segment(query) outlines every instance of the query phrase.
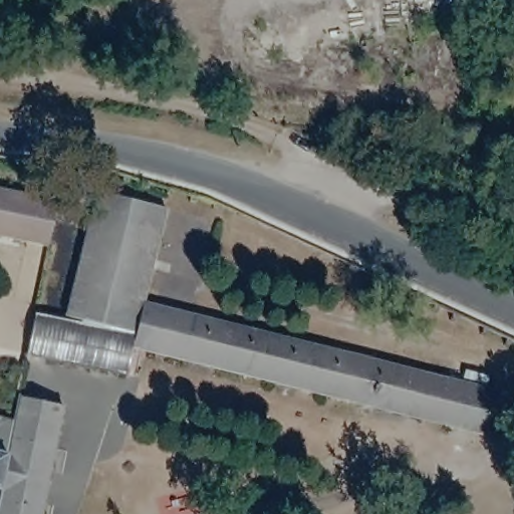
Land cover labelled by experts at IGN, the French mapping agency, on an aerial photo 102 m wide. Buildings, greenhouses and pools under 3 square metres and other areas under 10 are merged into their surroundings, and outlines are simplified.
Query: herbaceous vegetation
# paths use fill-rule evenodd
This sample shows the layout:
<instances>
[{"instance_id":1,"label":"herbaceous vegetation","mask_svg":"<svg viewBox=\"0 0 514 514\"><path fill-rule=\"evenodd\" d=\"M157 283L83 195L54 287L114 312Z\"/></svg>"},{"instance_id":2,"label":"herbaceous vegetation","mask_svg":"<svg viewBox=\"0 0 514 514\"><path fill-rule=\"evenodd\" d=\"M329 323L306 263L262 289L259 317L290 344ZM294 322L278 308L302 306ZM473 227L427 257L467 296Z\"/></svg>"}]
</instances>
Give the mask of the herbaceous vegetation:
<instances>
[{"instance_id":1,"label":"herbaceous vegetation","mask_svg":"<svg viewBox=\"0 0 514 514\"><path fill-rule=\"evenodd\" d=\"M124 131L124 139L165 145L185 153L197 153L203 157L231 163L235 159L253 159L259 165L279 163L281 149L271 143L263 143L257 149L247 143L235 143L229 137L213 135L205 131L205 120L195 118L183 110L161 110L161 116L157 120L126 114L110 114L104 110L94 110L90 114L82 98L70 98L50 82L34 84L28 92L24 92L22 98L18 94L0 94L0 187L24 191L24 179L10 169L8 163L12 159L28 159L34 147L44 141L46 135L68 129L94 129L96 137L100 139L106 131L120 129Z\"/></svg>"},{"instance_id":2,"label":"herbaceous vegetation","mask_svg":"<svg viewBox=\"0 0 514 514\"><path fill-rule=\"evenodd\" d=\"M434 102L436 108L442 108L444 114L450 116L454 129L480 129L476 141L470 145L470 159L464 159L464 163L460 165L464 169L486 175L486 161L490 159L492 147L502 139L502 135L514 137L514 106L510 106L508 112L502 116L494 116L486 110L480 116L466 116L460 112L462 106L468 106L472 102L472 94L468 90L458 90L460 78L456 74L446 40L442 40L438 30L428 30L422 26L424 16L434 16L432 8L422 10L418 6L412 8L408 16L400 16L402 24L383 24L381 40L377 40L375 36L359 34L357 42L353 36L349 40L339 40L337 44L323 48L323 40L317 38L315 46L307 50L303 60L293 62L287 58L283 64L275 68L269 66L253 66L253 56L247 52L247 44L249 40L259 38L251 30L243 28L243 48L235 54L229 44L223 42L219 18L225 0L129 0L118 4L114 10L110 10L104 4L96 4L92 16L88 16L84 10L72 14L76 18L76 24L80 26L80 34L88 42L98 40L100 44L129 46L139 36L147 36L161 28L169 30L179 24L187 32L193 48L199 50L199 60L203 64L197 82L207 92L219 90L225 80L237 80L237 74L231 70L233 66L241 66L241 70L247 76L255 78L255 86L251 88L249 114L253 114L253 118L265 126L285 126L295 135L305 133L307 143L303 147L313 151L317 147L331 143L329 124L339 114L351 112L353 108L359 108L369 114L377 110L406 112L420 110L430 102ZM369 58L373 58L373 64L371 68L357 74L353 72L353 60L359 60L363 52Z\"/></svg>"},{"instance_id":3,"label":"herbaceous vegetation","mask_svg":"<svg viewBox=\"0 0 514 514\"><path fill-rule=\"evenodd\" d=\"M355 514L353 498L347 502L339 502L325 514Z\"/></svg>"},{"instance_id":4,"label":"herbaceous vegetation","mask_svg":"<svg viewBox=\"0 0 514 514\"><path fill-rule=\"evenodd\" d=\"M470 514L514 514L514 498L508 482L500 476L500 464L510 458L510 440L504 438L500 430L496 430L494 424L502 416L502 412L508 410L514 402L514 345L510 349L500 351L502 337L498 333L480 333L478 325L466 317L450 319L444 309L430 309L426 309L422 315L434 319L434 329L430 331L430 335L418 333L398 337L392 321L381 321L375 325L363 323L355 315L355 309L349 301L359 293L363 295L363 291L371 291L377 277L373 275L373 271L361 271L361 267L351 259L343 259L329 249L323 249L307 239L301 239L285 229L279 229L269 221L263 221L255 215L237 209L235 205L219 201L213 195L171 185L169 195L165 199L126 187L122 189L122 193L124 197L163 205L171 213L179 213L185 219L193 221L197 229L213 233L213 237L221 241L221 251L225 261L237 261L237 279L231 283L231 287L215 293L211 293L211 289L203 281L197 287L195 303L217 309L217 303L223 303L225 297L231 297L237 291L243 293L243 309L253 305L255 291L251 287L251 279L255 273L265 273L269 277L279 279L293 277L295 281L309 283L321 291L327 289L327 283L333 285L339 281L343 285L345 299L337 301L335 307L329 311L317 305L307 305L301 309L293 301L289 305L283 305L273 303L273 299L267 295L263 297L263 315L271 315L271 311L275 309L285 311L285 319L291 319L293 315L305 311L309 315L309 333L301 333L299 337L305 341L315 341L329 347L339 347L450 377L462 377L466 375L466 371L486 373L496 388L494 412L486 416L482 430L484 446L492 456L492 466L482 476L472 478L464 484L468 500L472 502Z\"/></svg>"},{"instance_id":5,"label":"herbaceous vegetation","mask_svg":"<svg viewBox=\"0 0 514 514\"><path fill-rule=\"evenodd\" d=\"M273 327L263 321L251 321L221 311L217 317L227 319L231 323L255 325L259 329L277 331L281 335L287 335L289 331L285 327Z\"/></svg>"},{"instance_id":6,"label":"herbaceous vegetation","mask_svg":"<svg viewBox=\"0 0 514 514\"><path fill-rule=\"evenodd\" d=\"M303 494L301 484L279 484L275 480L265 490L265 494L253 504L251 514L281 514L283 504L301 508L309 500L307 496Z\"/></svg>"},{"instance_id":7,"label":"herbaceous vegetation","mask_svg":"<svg viewBox=\"0 0 514 514\"><path fill-rule=\"evenodd\" d=\"M145 359L137 365L104 365L96 361L74 363L66 359L48 357L44 353L32 353L28 349L30 365L42 371L64 371L82 377L96 377L102 381L112 381L116 373L124 373L137 379L139 383L135 396L124 394L118 402L118 416L122 422L131 426L131 430L124 436L124 444L108 460L92 462L76 514L195 514L187 504L187 488L193 486L193 482L199 476L211 472L213 460L189 460L181 454L173 456L171 452L161 450L157 444L139 444L133 438L133 428L139 428L147 422L165 424L167 408L175 400L185 400L195 408L205 404L207 408L211 408L211 412L231 410L235 416L255 414L261 422L271 418L279 422L279 426L285 430L285 434L275 442L277 456L293 456L297 460L303 460L309 454L327 472L335 472L337 464L345 462L345 452L351 446L367 444L365 432L375 432L383 420L400 422L400 414L373 410L371 404L359 402L359 406L351 406L351 400L347 398L341 400L337 396L325 398L319 394L299 394L295 390L281 388L269 381L241 377L231 371L211 369L157 353L145 353Z\"/></svg>"},{"instance_id":8,"label":"herbaceous vegetation","mask_svg":"<svg viewBox=\"0 0 514 514\"><path fill-rule=\"evenodd\" d=\"M367 219L383 231L392 233L394 237L412 245L412 239L408 237L410 221L406 217L408 199L400 191L394 199L390 205L379 205Z\"/></svg>"}]
</instances>

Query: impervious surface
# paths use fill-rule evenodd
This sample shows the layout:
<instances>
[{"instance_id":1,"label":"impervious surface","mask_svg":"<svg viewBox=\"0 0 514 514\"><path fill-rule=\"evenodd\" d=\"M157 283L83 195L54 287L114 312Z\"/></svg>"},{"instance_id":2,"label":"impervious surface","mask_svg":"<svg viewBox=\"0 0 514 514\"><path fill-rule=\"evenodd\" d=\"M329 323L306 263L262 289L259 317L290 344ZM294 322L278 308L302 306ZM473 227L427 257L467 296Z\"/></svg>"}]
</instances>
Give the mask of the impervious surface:
<instances>
[{"instance_id":1,"label":"impervious surface","mask_svg":"<svg viewBox=\"0 0 514 514\"><path fill-rule=\"evenodd\" d=\"M151 295L147 299L153 303L217 317L221 311L217 309L195 303L197 287L203 281L203 259L221 251L221 241L213 237L213 233L197 229L193 221L185 219L179 213L171 213L167 233L161 239L161 261L155 261L153 265L159 273L151 283Z\"/></svg>"},{"instance_id":2,"label":"impervious surface","mask_svg":"<svg viewBox=\"0 0 514 514\"><path fill-rule=\"evenodd\" d=\"M86 231L62 223L56 225L52 235L54 239L56 257L52 267L58 279L52 287L48 287L46 295L46 301L50 305L56 305L54 313L66 315L68 311Z\"/></svg>"},{"instance_id":3,"label":"impervious surface","mask_svg":"<svg viewBox=\"0 0 514 514\"><path fill-rule=\"evenodd\" d=\"M129 183L135 179L135 175L143 175L147 179L157 179L171 185L213 195L219 201L235 205L237 209L255 215L263 221L269 221L279 229L285 229L301 239L307 239L323 249L329 249L343 259L351 259L361 267L361 271L373 271L373 275L377 277L386 277L390 281L394 281L394 277L398 275L412 279L414 291L434 299L430 303L430 309L444 309L450 319L466 317L478 325L480 333L498 333L502 337L500 351L510 349L514 345L514 299L496 299L484 285L474 285L454 277L438 275L426 263L422 249L418 245L412 245L394 237L392 233L383 231L367 219L339 205L325 203L323 199L317 199L311 193L297 191L285 183L273 181L265 175L253 173L245 167L231 163L203 157L197 153L185 153L165 145L124 139L124 131L120 129L106 131L100 139L102 143L112 145L116 153L120 153L120 163L116 163L116 169L122 171L122 177Z\"/></svg>"},{"instance_id":4,"label":"impervious surface","mask_svg":"<svg viewBox=\"0 0 514 514\"><path fill-rule=\"evenodd\" d=\"M482 430L476 432L464 430L460 426L440 426L434 420L426 420L424 424L400 422L383 420L375 432L365 432L367 444L351 446L345 452L345 462L337 464L335 472L337 490L309 492L307 496L309 500L321 514L325 514L339 502L347 502L353 498L367 496L371 500L375 486L371 482L371 476L381 466L388 466L390 472L402 472L422 482L426 492L438 492L448 502L468 500L464 484L472 478L482 476L492 466L492 456L484 446Z\"/></svg>"},{"instance_id":5,"label":"impervious surface","mask_svg":"<svg viewBox=\"0 0 514 514\"><path fill-rule=\"evenodd\" d=\"M62 436L58 440L58 446L52 450L52 486L42 514L76 514L92 462L108 460L124 444L124 436L131 430L131 426L122 422L118 416L118 402L124 394L135 396L139 383L137 379L124 373L116 373L112 381L102 381L96 377L82 377L64 371L42 371L30 365L30 383L16 392L10 410L0 408L0 416L14 418L18 402L24 396L60 402L62 406L66 406Z\"/></svg>"},{"instance_id":6,"label":"impervious surface","mask_svg":"<svg viewBox=\"0 0 514 514\"><path fill-rule=\"evenodd\" d=\"M0 357L20 357L24 317L32 301L42 247L36 241L16 243L12 237L0 237Z\"/></svg>"}]
</instances>

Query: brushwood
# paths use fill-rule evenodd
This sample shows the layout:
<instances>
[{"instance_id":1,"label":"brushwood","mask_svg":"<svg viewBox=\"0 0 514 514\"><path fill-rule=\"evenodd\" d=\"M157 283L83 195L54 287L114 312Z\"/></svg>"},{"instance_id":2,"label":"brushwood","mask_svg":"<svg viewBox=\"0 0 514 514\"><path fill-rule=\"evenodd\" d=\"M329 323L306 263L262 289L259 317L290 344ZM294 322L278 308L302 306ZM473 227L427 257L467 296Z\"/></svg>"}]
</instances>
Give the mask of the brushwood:
<instances>
[{"instance_id":1,"label":"brushwood","mask_svg":"<svg viewBox=\"0 0 514 514\"><path fill-rule=\"evenodd\" d=\"M271 58L269 66L275 68L283 64L287 58L281 46L273 46L267 52Z\"/></svg>"},{"instance_id":2,"label":"brushwood","mask_svg":"<svg viewBox=\"0 0 514 514\"><path fill-rule=\"evenodd\" d=\"M169 195L171 185L157 179L147 179L143 175L135 175L135 179L129 183L126 187L165 199Z\"/></svg>"},{"instance_id":3,"label":"brushwood","mask_svg":"<svg viewBox=\"0 0 514 514\"><path fill-rule=\"evenodd\" d=\"M161 116L161 110L110 98L82 98L90 114L94 110L104 110L110 114L126 114L157 120Z\"/></svg>"},{"instance_id":4,"label":"brushwood","mask_svg":"<svg viewBox=\"0 0 514 514\"><path fill-rule=\"evenodd\" d=\"M255 135L243 131L247 118L245 114L227 114L225 108L205 110L205 120L205 131L213 135L229 137L235 143L247 143L257 149L263 143Z\"/></svg>"},{"instance_id":5,"label":"brushwood","mask_svg":"<svg viewBox=\"0 0 514 514\"><path fill-rule=\"evenodd\" d=\"M24 317L20 357L0 357L0 408L10 410L16 392L30 383L30 365L28 349L36 313L54 313L56 305L50 305L46 301L46 295L48 287L52 287L58 279L52 267L56 257L54 239L46 247L42 247L32 301Z\"/></svg>"}]
</instances>

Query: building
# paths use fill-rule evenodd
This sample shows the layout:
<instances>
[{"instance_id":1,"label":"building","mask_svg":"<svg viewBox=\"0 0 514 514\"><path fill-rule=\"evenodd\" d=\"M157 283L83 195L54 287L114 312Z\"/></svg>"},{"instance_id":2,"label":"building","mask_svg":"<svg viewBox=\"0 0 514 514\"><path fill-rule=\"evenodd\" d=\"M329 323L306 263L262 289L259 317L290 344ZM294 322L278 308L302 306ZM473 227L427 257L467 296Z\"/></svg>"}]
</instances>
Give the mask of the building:
<instances>
[{"instance_id":1,"label":"building","mask_svg":"<svg viewBox=\"0 0 514 514\"><path fill-rule=\"evenodd\" d=\"M351 406L359 406L359 402L371 404L373 410L400 414L400 422L424 424L426 420L434 420L440 426L460 426L464 430L476 432L482 430L486 416L494 412L496 388L486 373L466 371L466 375L462 377L450 377L339 347L329 347L315 341L305 341L299 337L301 333L289 331L287 335L281 335L277 331L259 329L255 325L231 323L227 319L217 317L153 303L147 299L151 295L151 283L159 273L153 265L155 261L161 261L161 239L167 233L171 213L163 205L124 197L122 193L116 201L112 201L110 217L104 223L98 223L96 227L86 231L68 311L66 315L54 313L36 313L28 349L32 353L44 353L48 357L66 359L74 363L96 361L104 365L137 365L145 359L145 353L157 353L211 369L231 371L241 377L269 381L281 388L295 390L299 394L319 394L325 398L337 396L341 400L347 398L351 400Z\"/></svg>"},{"instance_id":2,"label":"building","mask_svg":"<svg viewBox=\"0 0 514 514\"><path fill-rule=\"evenodd\" d=\"M24 191L0 187L0 237L12 237L16 243L36 241L42 247L46 247L54 239L52 235L56 225L62 223L58 217L52 217L44 209L28 203L24 199Z\"/></svg>"},{"instance_id":3,"label":"building","mask_svg":"<svg viewBox=\"0 0 514 514\"><path fill-rule=\"evenodd\" d=\"M0 416L0 514L42 514L52 486L52 450L58 446L58 440L62 436L66 406L62 406L60 402L24 396L18 402L14 418Z\"/></svg>"}]
</instances>

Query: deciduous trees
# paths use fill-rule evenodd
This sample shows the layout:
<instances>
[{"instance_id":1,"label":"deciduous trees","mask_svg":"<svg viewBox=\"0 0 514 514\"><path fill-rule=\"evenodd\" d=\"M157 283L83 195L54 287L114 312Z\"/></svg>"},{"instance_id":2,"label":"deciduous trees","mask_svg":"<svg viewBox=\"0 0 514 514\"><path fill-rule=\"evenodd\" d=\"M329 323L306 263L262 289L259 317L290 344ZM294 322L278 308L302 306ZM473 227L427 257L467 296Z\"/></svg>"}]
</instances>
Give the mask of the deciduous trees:
<instances>
[{"instance_id":1,"label":"deciduous trees","mask_svg":"<svg viewBox=\"0 0 514 514\"><path fill-rule=\"evenodd\" d=\"M508 410L502 412L502 416L494 424L496 430L500 430L504 438L510 440L510 458L500 464L500 476L508 482L514 498L514 402Z\"/></svg>"},{"instance_id":2,"label":"deciduous trees","mask_svg":"<svg viewBox=\"0 0 514 514\"><path fill-rule=\"evenodd\" d=\"M438 492L426 492L422 482L402 472L390 472L388 466L381 466L371 476L371 482L375 486L371 500L367 496L353 498L355 514L470 514L472 502L468 500L448 502Z\"/></svg>"},{"instance_id":3,"label":"deciduous trees","mask_svg":"<svg viewBox=\"0 0 514 514\"><path fill-rule=\"evenodd\" d=\"M394 199L400 191L408 199L406 217L410 221L408 237L412 239L412 245L418 245L422 249L426 263L438 275L454 277L474 285L484 285L496 299L514 299L514 137L502 135L502 139L492 147L490 159L486 161L486 175L464 169L460 165L464 163L464 159L470 159L470 145L476 141L480 129L454 129L450 116L444 114L442 108L436 108L434 102L430 102L420 110L406 112L377 110L369 114L359 108L353 108L351 112L339 114L329 124L331 143L317 147L313 151L319 159L327 161L329 165L341 167L357 185L373 189L377 195Z\"/></svg>"},{"instance_id":4,"label":"deciduous trees","mask_svg":"<svg viewBox=\"0 0 514 514\"><path fill-rule=\"evenodd\" d=\"M281 514L321 514L309 500L301 508L283 504Z\"/></svg>"},{"instance_id":5,"label":"deciduous trees","mask_svg":"<svg viewBox=\"0 0 514 514\"><path fill-rule=\"evenodd\" d=\"M24 199L28 203L44 209L52 217L58 217L62 223L86 231L96 227L98 223L104 223L110 217L112 201L116 201L122 193L122 189L126 187L129 183L122 177L122 171L116 169L116 163L120 163L120 153L116 153L112 145L102 143L100 139L96 137L94 129L68 129L46 135L44 141L34 147L28 159L12 159L8 163L10 169L24 179L24 191Z\"/></svg>"},{"instance_id":6,"label":"deciduous trees","mask_svg":"<svg viewBox=\"0 0 514 514\"><path fill-rule=\"evenodd\" d=\"M251 279L251 287L255 291L253 305L243 309L243 293L237 291L231 297L225 297L223 303L217 303L217 309L221 311L251 321L263 321L273 327L285 327L289 331L301 333L309 333L309 315L305 311L293 315L291 319L285 319L285 311L275 309L271 311L271 315L263 315L263 297L267 295L273 299L273 303L283 305L289 305L293 301L301 309L307 305L317 305L329 311L335 307L337 301L345 299L343 285L339 281L333 285L327 283L327 289L321 291L309 283L295 281L293 277L279 279L269 277L265 273L255 273Z\"/></svg>"},{"instance_id":7,"label":"deciduous trees","mask_svg":"<svg viewBox=\"0 0 514 514\"><path fill-rule=\"evenodd\" d=\"M193 482L193 486L187 488L187 504L195 514L251 514L253 504L265 494L265 490L275 480L279 484L301 484L303 494L307 496L309 492L337 490L335 472L327 472L309 454L303 460L297 460L293 456L277 456L275 442L285 434L285 430L279 426L279 422L271 418L261 422L255 414L235 416L231 410L211 412L211 408L207 408L205 404L195 408L185 400L175 400L167 408L165 424L147 422L139 428L133 428L133 438L139 444L157 444L161 450L171 452L173 456L181 454L189 460L213 460L211 472L199 476Z\"/></svg>"},{"instance_id":8,"label":"deciduous trees","mask_svg":"<svg viewBox=\"0 0 514 514\"><path fill-rule=\"evenodd\" d=\"M349 301L355 309L355 315L363 323L375 325L381 321L392 321L398 337L418 333L430 335L430 331L434 329L434 319L422 315L426 309L430 309L430 303L434 299L414 291L412 279L398 275L394 277L394 281L390 281L386 277L377 277L371 291L363 291L363 295L359 293Z\"/></svg>"},{"instance_id":9,"label":"deciduous trees","mask_svg":"<svg viewBox=\"0 0 514 514\"><path fill-rule=\"evenodd\" d=\"M88 16L92 16L96 4L104 4L110 10L114 10L118 4L129 0L0 0L0 78L10 80L18 74L42 74L48 68L62 70L66 64L80 58L98 84L112 82L114 78L118 78L122 88L137 90L137 94L145 100L193 96L205 110L225 108L227 114L245 114L247 118L249 114L251 88L255 86L255 78L247 76L241 70L241 66L233 66L231 70L237 74L237 80L225 80L219 90L207 92L197 82L203 64L199 60L199 50L193 48L187 32L179 24L169 30L161 28L147 36L139 36L129 46L100 44L98 40L88 42L80 34L80 26L76 24L76 18L72 14L84 10Z\"/></svg>"},{"instance_id":10,"label":"deciduous trees","mask_svg":"<svg viewBox=\"0 0 514 514\"><path fill-rule=\"evenodd\" d=\"M446 12L440 12L436 18L434 16L424 16L422 26L428 30L438 30L442 40L446 40L456 74L460 78L458 90L468 90L472 94L472 102L468 106L462 106L460 112L466 116L480 116L486 110L494 116L502 116L508 112L510 106L514 106L514 0L456 0L454 10L450 8Z\"/></svg>"},{"instance_id":11,"label":"deciduous trees","mask_svg":"<svg viewBox=\"0 0 514 514\"><path fill-rule=\"evenodd\" d=\"M203 259L203 281L211 289L211 293L215 293L231 287L231 283L237 279L237 261L225 261L221 251Z\"/></svg>"},{"instance_id":12,"label":"deciduous trees","mask_svg":"<svg viewBox=\"0 0 514 514\"><path fill-rule=\"evenodd\" d=\"M369 58L363 52L359 60L353 60L353 72L357 74L371 68L373 64L373 58Z\"/></svg>"}]
</instances>

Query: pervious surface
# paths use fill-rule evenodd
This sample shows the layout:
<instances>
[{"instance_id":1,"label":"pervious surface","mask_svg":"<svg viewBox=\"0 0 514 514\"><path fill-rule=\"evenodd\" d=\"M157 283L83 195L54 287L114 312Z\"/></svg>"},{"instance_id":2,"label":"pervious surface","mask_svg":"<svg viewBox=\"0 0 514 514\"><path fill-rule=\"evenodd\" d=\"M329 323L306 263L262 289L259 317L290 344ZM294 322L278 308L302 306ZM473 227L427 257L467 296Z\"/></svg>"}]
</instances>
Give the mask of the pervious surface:
<instances>
[{"instance_id":1,"label":"pervious surface","mask_svg":"<svg viewBox=\"0 0 514 514\"><path fill-rule=\"evenodd\" d=\"M375 36L377 40L381 40L383 24L402 24L400 16L408 16L412 8L418 6L422 10L432 8L434 16L436 18L440 12L446 12L450 8L454 10L456 0L225 0L219 18L223 42L229 44L235 54L243 48L243 28L251 30L259 38L249 40L247 44L247 52L253 56L253 66L269 66L271 58L267 52L273 46L281 46L287 58L293 62L303 60L307 50L315 46L317 38L323 40L323 48L337 44L339 40L349 40L353 36L357 42L359 34Z\"/></svg>"},{"instance_id":2,"label":"pervious surface","mask_svg":"<svg viewBox=\"0 0 514 514\"><path fill-rule=\"evenodd\" d=\"M325 203L339 205L367 219L379 205L390 205L394 199L377 195L373 189L357 185L341 167L329 165L327 161L319 159L313 151L303 147L307 143L305 133L295 135L285 126L265 126L253 118L253 114L249 114L247 118L243 131L255 135L263 143L271 143L281 149L279 163L259 165L253 159L235 159L231 163L245 167L253 173L265 175L273 181L285 183L297 191L311 193L317 199L323 199Z\"/></svg>"},{"instance_id":3,"label":"pervious surface","mask_svg":"<svg viewBox=\"0 0 514 514\"><path fill-rule=\"evenodd\" d=\"M22 98L24 92L28 92L34 84L50 82L70 98L82 98L110 98L161 110L183 110L195 118L205 120L205 110L193 96L145 100L137 94L137 90L122 88L118 78L114 78L112 82L98 84L80 58L66 64L62 70L48 68L42 74L18 74L10 80L0 78L0 94L18 94Z\"/></svg>"}]
</instances>

